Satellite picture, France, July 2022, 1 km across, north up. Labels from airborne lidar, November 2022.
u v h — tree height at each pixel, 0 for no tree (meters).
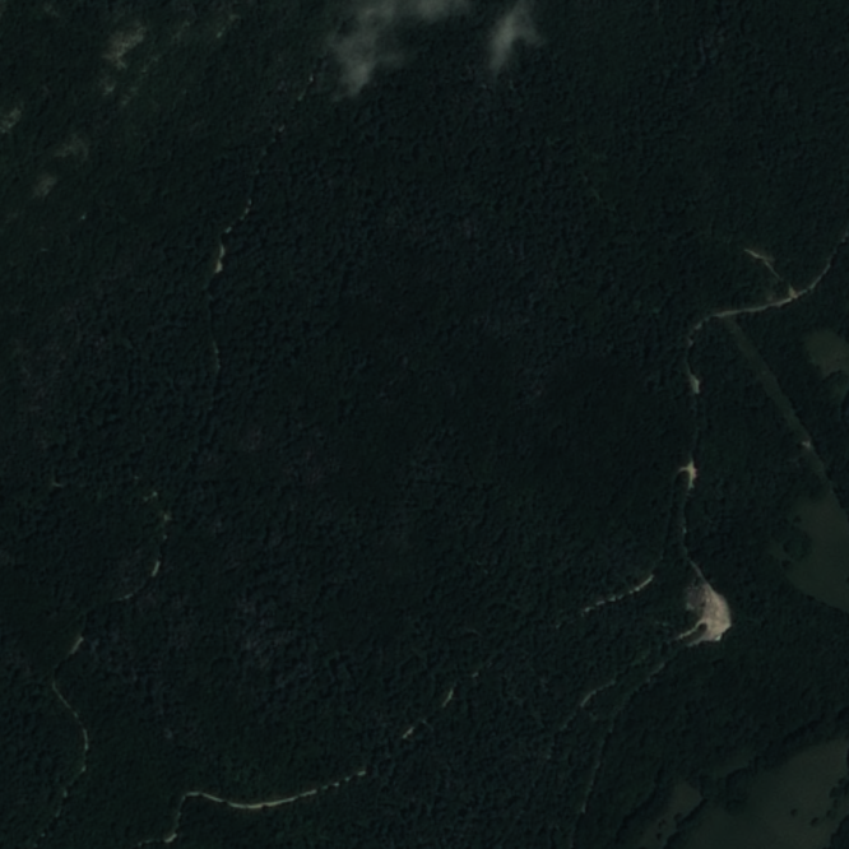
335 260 16
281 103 13
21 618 14
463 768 21
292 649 18
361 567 25
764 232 12
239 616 16
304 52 14
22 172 13
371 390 24
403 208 26
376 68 17
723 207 14
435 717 11
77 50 14
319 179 16
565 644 16
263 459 22
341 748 11
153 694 29
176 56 11
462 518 24
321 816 14
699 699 11
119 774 9
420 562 23
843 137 12
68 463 22
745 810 13
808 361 15
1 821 19
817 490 19
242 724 12
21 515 12
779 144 10
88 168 9
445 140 21
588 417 23
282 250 22
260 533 24
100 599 17
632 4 15
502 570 17
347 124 13
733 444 17
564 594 20
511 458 23
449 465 22
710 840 0
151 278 23
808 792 0
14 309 18
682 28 16
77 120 13
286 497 19
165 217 18
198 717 22
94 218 22
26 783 19
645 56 11
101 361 20
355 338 25
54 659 15
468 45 27
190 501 26
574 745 18
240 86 12
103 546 18
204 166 12
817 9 10
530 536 14
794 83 19
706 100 12
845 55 15
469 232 24
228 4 21
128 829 7
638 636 16
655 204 17
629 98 11
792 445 25
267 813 16
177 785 12
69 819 18
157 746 15
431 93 21
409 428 23
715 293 16
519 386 25
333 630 26
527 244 20
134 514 19
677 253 20
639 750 9
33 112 12
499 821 18
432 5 22
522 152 22
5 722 17
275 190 17
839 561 0
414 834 22
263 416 29
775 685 12
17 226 9
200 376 19
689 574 16
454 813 18
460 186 25
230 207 16
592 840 26
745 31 20
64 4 15
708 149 13
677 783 13
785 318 14
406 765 25
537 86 28
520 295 19
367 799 15
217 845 16
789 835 0
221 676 18
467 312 25
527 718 19
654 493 24
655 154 16
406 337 25
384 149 17
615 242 15
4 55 19
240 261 20
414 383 25
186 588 12
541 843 19
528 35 18
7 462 13
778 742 12
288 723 14
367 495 22
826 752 0
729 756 13
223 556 26
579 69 10
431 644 14
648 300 21
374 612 29
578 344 21
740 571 22
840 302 17
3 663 27
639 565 18
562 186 10
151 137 15
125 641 24
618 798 21
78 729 13
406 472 20
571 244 27
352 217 30
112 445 15
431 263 26
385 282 26
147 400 28
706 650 17
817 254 15
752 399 22
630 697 15
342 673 29
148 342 19
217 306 25
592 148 8
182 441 20
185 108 16
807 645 18
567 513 17
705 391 16
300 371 26
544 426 29
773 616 18
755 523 26
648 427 15
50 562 18
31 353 17
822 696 14
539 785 11
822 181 16
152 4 19
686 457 21
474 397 21
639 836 20
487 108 29
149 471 25
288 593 33
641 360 25
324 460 19
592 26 6
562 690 22
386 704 16
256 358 18
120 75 8
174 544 14
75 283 11
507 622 18
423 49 21
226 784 17
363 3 16
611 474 24
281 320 23
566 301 17
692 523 21
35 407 17
